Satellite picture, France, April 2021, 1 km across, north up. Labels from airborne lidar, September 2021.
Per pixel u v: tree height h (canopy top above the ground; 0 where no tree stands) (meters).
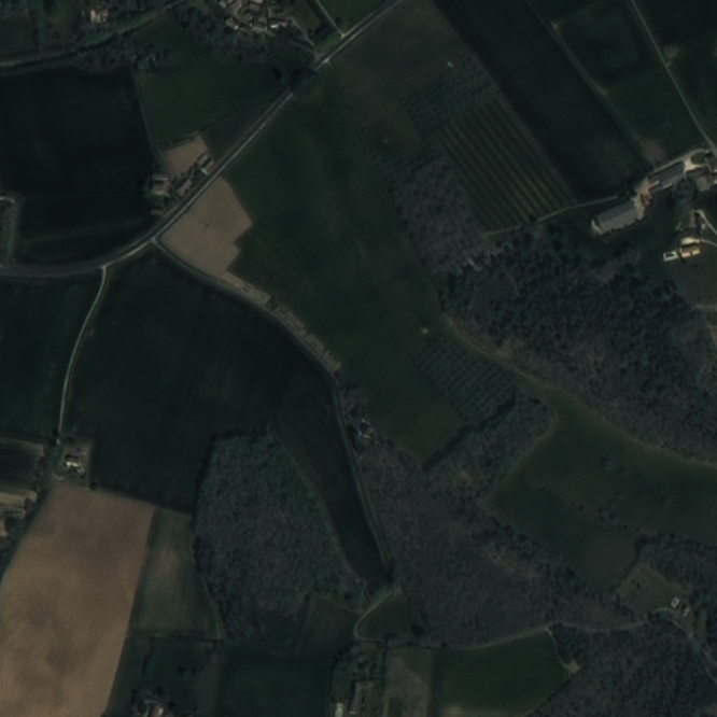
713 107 0
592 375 12
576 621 10
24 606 0
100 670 0
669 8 0
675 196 8
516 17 0
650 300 11
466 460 22
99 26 16
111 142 0
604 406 17
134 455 0
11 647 0
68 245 0
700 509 0
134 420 0
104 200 0
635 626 12
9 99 0
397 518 7
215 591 19
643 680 12
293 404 0
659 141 0
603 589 0
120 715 0
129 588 0
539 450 0
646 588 0
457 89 8
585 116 0
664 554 19
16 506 0
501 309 11
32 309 0
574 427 0
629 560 0
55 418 0
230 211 0
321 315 0
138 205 0
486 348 17
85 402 0
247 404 0
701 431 13
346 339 0
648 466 0
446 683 0
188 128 0
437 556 9
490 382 9
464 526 14
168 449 0
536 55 0
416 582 12
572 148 0
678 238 0
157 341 0
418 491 8
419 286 0
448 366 9
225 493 19
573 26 0
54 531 0
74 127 0
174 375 0
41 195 0
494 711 0
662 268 0
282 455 17
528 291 13
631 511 0
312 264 0
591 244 0
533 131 0
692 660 16
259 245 0
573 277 12
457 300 17
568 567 0
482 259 10
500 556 21
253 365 0
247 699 0
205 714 0
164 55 8
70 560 0
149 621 0
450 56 0
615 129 0
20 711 0
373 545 0
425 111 8
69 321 0
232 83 0
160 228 0
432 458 0
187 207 0
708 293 0
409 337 0
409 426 0
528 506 0
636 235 0
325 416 0
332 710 0
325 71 0
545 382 16
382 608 0
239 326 0
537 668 0
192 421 0
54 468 17
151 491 0
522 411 24
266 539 23
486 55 0
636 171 0
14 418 0
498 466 22
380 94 0
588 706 16
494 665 0
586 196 0
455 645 11
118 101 0
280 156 0
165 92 0
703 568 20
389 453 11
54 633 0
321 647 0
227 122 0
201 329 0
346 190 0
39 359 0
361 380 0
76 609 0
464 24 0
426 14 0
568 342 7
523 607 11
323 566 23
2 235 17
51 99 0
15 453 0
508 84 0
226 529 20
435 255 10
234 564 20
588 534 0
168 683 0
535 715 10
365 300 0
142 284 0
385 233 0
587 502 0
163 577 0
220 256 0
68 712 0
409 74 0
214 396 0
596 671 12
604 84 0
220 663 0
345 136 0
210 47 18
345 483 0
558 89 0
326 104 0
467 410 8
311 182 0
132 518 0
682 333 15
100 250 0
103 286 0
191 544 0
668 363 13
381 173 9
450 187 11
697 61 0
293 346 0
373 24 0
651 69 0
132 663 0
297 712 0
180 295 0
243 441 19
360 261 0
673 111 0
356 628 0
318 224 0
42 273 0
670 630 16
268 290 0
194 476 0
